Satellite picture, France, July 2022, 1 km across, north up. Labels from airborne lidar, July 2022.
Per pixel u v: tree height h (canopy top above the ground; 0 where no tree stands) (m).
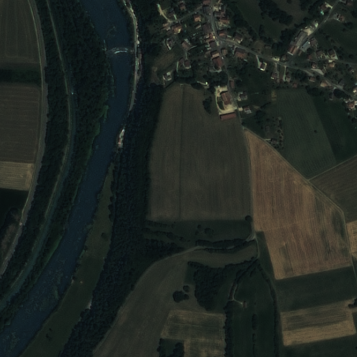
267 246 0
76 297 0
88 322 20
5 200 0
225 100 0
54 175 18
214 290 7
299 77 6
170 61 0
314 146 0
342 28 0
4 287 21
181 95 0
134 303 0
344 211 0
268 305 0
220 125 0
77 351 21
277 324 8
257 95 0
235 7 10
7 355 0
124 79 0
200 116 0
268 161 0
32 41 0
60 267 0
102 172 0
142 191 7
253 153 0
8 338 0
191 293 0
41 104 0
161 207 0
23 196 0
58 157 8
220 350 0
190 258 0
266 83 0
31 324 0
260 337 0
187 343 0
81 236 0
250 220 12
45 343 0
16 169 0
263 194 0
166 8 0
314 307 0
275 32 0
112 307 18
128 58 0
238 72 7
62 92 19
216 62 0
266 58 0
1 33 0
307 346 0
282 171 0
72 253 0
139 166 20
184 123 0
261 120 15
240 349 0
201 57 0
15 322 0
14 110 0
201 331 0
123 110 0
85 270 0
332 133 0
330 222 0
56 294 0
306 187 0
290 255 0
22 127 0
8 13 0
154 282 0
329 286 0
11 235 0
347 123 0
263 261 0
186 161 0
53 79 23
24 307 0
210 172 0
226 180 0
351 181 0
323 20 0
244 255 0
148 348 0
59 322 0
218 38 0
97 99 21
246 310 0
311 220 0
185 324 0
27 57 0
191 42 12
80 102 20
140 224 12
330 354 0
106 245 0
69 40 18
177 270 0
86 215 0
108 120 0
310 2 14
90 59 36
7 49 0
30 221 20
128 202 12
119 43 0
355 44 0
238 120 0
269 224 0
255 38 8
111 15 0
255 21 0
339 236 0
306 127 0
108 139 0
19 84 0
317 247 0
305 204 0
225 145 0
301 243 0
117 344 0
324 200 0
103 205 0
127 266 17
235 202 0
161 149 0
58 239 0
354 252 0
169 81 0
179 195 0
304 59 0
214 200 0
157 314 0
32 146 0
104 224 0
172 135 0
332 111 0
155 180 0
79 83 15
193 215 0
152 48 19
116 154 24
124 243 23
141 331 0
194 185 0
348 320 0
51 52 17
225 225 0
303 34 0
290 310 0
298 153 0
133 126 17
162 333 0
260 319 0
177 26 0
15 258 18
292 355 0
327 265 0
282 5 0
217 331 0
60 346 0
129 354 0
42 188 18
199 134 0
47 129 10
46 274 0
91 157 0
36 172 0
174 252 21
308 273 0
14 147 0
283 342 0
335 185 0
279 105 0
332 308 0
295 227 0
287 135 0
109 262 24
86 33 33
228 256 0
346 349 0
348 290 0
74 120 0
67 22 13
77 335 18
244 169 0
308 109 0
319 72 0
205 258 0
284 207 0
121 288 19
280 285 0
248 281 0
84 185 0
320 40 0
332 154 0
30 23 0
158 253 22
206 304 14
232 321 12
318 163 0
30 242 23
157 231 8
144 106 19
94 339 14
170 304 0
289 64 0
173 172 0
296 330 0
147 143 10
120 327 0
